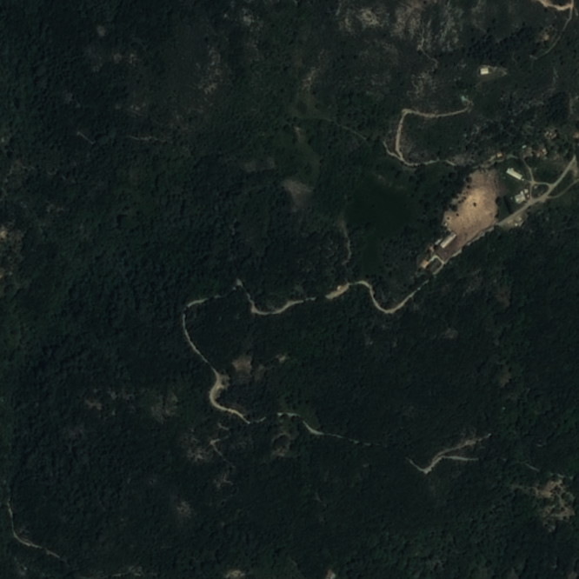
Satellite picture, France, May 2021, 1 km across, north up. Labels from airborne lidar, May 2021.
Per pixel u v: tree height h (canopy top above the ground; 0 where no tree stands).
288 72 14
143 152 10
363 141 6
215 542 17
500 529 14
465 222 0
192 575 18
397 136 0
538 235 9
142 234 15
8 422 10
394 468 17
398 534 21
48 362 14
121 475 10
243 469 12
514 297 11
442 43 0
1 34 11
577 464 17
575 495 7
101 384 11
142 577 8
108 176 9
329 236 9
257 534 13
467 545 15
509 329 9
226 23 6
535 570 16
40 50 15
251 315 10
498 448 17
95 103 13
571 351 14
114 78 7
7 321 20
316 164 0
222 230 13
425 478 6
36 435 9
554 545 15
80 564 7
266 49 8
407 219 0
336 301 6
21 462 9
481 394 13
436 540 18
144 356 14
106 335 17
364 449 12
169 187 15
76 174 13
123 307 26
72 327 13
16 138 9
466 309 8
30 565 17
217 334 10
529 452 17
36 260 8
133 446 8
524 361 13
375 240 0
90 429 14
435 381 9
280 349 13
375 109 14
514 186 0
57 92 10
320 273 9
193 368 12
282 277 14
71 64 12
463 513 19
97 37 7
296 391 10
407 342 12
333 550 20
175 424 9
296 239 6
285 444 11
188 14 6
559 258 14
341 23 0
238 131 11
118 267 15
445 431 11
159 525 17
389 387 12
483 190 0
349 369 15
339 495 15
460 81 8
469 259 11
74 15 17
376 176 0
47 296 14
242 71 11
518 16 0
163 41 9
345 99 11
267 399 14
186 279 12
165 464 9
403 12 0
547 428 16
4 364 18
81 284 12
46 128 8
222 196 14
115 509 12
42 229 11
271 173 11
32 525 7
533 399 10
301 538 8
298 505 13
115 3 9
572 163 0
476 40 12
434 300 11
